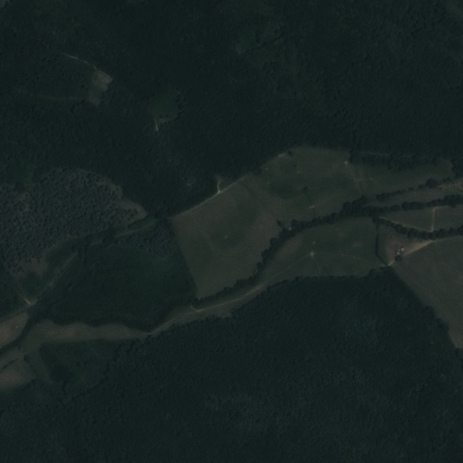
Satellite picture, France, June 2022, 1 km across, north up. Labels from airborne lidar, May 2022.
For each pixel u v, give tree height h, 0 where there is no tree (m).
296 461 19
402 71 18
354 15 12
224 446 14
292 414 23
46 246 18
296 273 0
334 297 19
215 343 22
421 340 25
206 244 0
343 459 17
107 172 20
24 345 0
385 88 15
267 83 26
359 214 13
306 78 15
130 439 28
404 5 24
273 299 17
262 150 22
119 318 8
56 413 23
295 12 22
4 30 8
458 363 0
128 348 12
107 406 26
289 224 0
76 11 19
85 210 16
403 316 24
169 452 23
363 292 19
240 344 27
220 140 17
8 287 13
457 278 0
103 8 8
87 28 18
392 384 25
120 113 18
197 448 23
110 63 15
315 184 0
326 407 16
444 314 0
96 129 24
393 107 16
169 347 25
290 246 0
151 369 27
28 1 17
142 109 17
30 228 20
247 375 25
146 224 18
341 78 23
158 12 11
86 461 22
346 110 25
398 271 0
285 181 0
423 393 25
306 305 18
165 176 15
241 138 23
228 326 26
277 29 20
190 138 20
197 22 12
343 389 22
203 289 0
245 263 0
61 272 5
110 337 0
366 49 14
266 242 0
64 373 8
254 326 17
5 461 15
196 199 13
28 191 12
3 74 7
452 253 0
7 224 21
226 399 23
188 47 15
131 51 16
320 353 20
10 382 0
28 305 0
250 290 0
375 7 11
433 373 29
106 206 14
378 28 7
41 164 19
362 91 17
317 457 19
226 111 17
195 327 19
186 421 32
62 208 16
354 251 0
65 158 19
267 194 0
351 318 13
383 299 18
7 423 18
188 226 0
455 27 23
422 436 25
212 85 11
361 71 20
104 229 20
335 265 0
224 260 0
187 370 26
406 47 11
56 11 18
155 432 26
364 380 21
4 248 18
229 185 0
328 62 15
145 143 16
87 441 23
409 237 11
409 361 23
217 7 10
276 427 20
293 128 19
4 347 8
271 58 21
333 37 13
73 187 17
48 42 14
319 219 8
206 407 21
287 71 17
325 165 0
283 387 21
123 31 13
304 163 0
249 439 19
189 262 0
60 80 14
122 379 30
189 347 23
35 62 6
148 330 7
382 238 0
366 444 23
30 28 17
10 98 25
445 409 19
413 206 19
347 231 0
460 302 0
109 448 25
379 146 24
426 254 0
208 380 21
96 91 0
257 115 20
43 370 0
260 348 22
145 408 25
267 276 0
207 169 22
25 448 17
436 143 20
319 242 0
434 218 0
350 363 21
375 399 22
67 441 24
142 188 22
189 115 24
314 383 23
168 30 14
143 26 12
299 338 19
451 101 18
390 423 25
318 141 14
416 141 20
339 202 0
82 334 0
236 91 16
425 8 22
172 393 28
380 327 15
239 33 10
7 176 9
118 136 24
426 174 0
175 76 17
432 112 15
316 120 11
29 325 9
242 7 15
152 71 15
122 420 27
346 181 0
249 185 0
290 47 22
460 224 0
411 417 27
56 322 10
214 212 0
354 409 19
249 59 13
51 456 18
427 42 15
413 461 22
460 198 15
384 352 23
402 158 16
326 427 18
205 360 24
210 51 15
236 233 0
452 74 17
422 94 18
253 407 22
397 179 0
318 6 13
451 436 27
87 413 28
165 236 17
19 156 16
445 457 16
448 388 19
